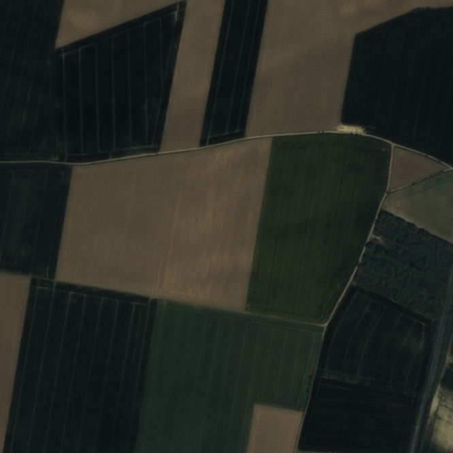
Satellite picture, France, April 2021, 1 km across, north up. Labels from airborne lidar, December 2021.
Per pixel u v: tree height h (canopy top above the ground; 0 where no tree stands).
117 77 0
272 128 0
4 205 0
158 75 0
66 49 0
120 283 0
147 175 0
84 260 0
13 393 0
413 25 0
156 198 0
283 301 0
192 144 0
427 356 0
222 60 0
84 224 0
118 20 0
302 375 0
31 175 0
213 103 0
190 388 0
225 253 0
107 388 0
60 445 0
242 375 0
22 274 0
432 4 0
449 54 0
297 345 0
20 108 0
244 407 0
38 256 0
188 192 0
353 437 0
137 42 0
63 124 0
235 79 0
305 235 0
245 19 0
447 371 0
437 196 0
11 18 0
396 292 17
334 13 0
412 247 16
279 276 0
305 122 0
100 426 0
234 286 0
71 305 0
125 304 0
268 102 0
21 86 0
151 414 0
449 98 0
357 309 0
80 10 0
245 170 0
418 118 0
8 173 0
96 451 0
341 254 0
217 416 0
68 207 0
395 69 0
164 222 0
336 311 0
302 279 0
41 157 0
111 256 0
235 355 0
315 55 0
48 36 0
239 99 0
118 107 0
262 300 0
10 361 0
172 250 0
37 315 0
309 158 0
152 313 0
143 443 0
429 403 6
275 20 0
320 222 0
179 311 0
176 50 0
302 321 0
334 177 0
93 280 0
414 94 0
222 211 0
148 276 0
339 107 0
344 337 0
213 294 0
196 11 0
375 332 0
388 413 0
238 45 0
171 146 0
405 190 0
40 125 0
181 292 0
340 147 0
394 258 19
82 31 0
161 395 0
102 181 0
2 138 0
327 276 0
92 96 0
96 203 0
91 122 0
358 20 0
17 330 0
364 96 0
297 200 0
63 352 0
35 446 0
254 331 0
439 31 0
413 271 15
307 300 0
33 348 0
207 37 0
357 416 0
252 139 0
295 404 0
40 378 0
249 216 0
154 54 0
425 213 0
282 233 0
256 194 0
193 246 0
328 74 0
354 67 0
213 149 0
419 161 0
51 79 0
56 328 0
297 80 0
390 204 0
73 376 0
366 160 0
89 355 0
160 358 0
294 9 0
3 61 0
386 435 0
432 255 17
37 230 0
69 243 0
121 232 0
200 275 0
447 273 19
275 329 0
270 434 0
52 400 0
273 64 0
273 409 0
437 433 0
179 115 0
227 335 0
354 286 0
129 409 0
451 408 0
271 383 0
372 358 0
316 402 0
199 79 0
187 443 0
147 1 0
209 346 0
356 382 0
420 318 0
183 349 0
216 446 0
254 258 0
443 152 0
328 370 0
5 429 0
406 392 0
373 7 0
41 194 0
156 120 0
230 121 0
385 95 0
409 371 0
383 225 13
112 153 0
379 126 0
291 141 0
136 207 0
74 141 0
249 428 0
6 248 0
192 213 0
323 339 0
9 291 0
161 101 0
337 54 0
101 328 0
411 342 0
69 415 0
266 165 0
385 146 0
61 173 0
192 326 0
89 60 0
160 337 0
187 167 0
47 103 0
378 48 0
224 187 0
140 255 0
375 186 0
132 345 0
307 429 0
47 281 0
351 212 0
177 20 0
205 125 0
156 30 0
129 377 0
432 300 14
